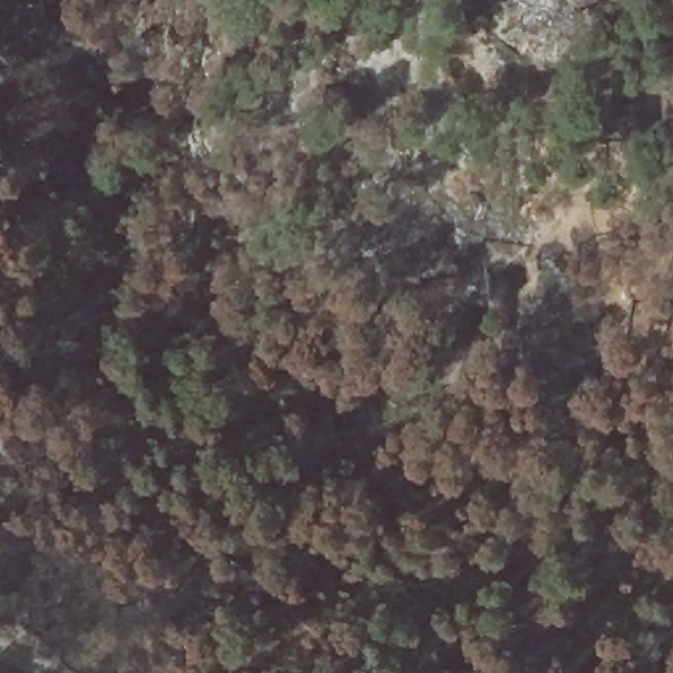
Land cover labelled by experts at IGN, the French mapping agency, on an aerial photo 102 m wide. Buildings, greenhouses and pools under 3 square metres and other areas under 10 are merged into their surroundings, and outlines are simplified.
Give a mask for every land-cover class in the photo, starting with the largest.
<instances>
[{"label":"coniferous trees","instance_id":"1","mask_svg":"<svg viewBox=\"0 0 673 673\"><path fill-rule=\"evenodd\" d=\"M460 155L473 158V163L494 160V166L505 168L510 179L521 184L547 179L549 174H557L563 181H573L576 187H581L586 179H597L599 187L589 192L586 202L592 208H605L610 218V231L573 229V247L568 250L560 242L542 244L536 255L539 292L521 294V287L526 284V268L518 263L492 260L489 250L481 242L455 244V229L447 218V195L429 192V184L442 181L447 171L457 168ZM21 626L26 631L21 644L0 649V673H673V0H0V628Z\"/></svg>","mask_w":673,"mask_h":673},{"label":"bare soil","instance_id":"2","mask_svg":"<svg viewBox=\"0 0 673 673\"><path fill-rule=\"evenodd\" d=\"M599 187L597 179H586L581 187H576L573 181H563L557 174H549L547 179L521 184L510 179L505 168L494 166V160L473 163V158L460 155L457 168L447 171L442 181L429 184V192L447 195V218L455 229V244L481 242L489 250L492 260L518 263L526 268V284L521 287V294L539 292L536 255L542 244L560 242L568 250L573 247V229L610 231V218L605 208H592L586 202L589 192Z\"/></svg>","mask_w":673,"mask_h":673},{"label":"pervious surface","instance_id":"3","mask_svg":"<svg viewBox=\"0 0 673 673\"><path fill-rule=\"evenodd\" d=\"M26 631L21 626L0 628V649L21 644Z\"/></svg>","mask_w":673,"mask_h":673}]
</instances>
